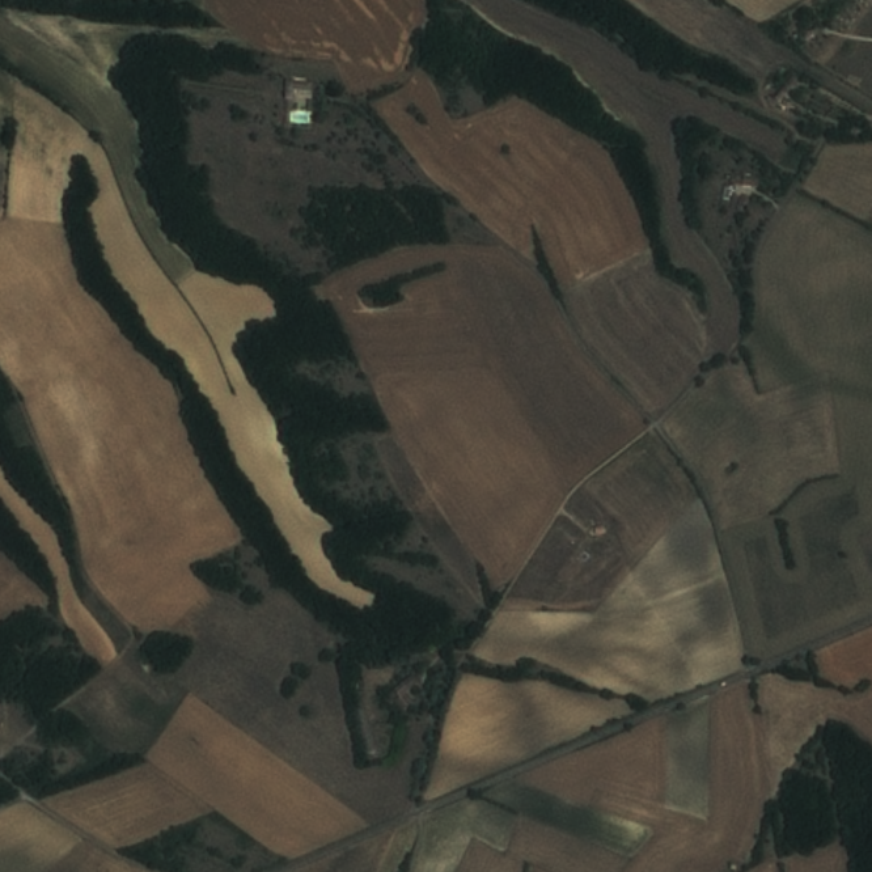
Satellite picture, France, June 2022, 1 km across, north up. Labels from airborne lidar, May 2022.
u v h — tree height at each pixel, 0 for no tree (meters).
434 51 12
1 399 6
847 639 0
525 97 8
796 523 0
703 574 0
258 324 16
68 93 0
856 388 0
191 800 0
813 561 0
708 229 0
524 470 0
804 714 0
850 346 0
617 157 13
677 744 0
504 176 0
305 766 0
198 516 0
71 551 12
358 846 0
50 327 0
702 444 0
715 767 0
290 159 0
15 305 0
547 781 0
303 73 0
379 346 0
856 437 0
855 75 0
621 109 0
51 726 10
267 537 18
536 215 0
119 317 13
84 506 0
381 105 0
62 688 10
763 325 0
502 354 0
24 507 0
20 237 0
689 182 14
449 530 0
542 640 0
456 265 0
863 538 0
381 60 0
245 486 16
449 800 0
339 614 16
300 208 6
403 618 21
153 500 0
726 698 0
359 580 17
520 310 0
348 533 16
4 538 16
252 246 11
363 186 9
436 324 0
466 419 0
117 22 9
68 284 0
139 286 0
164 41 23
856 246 0
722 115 0
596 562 0
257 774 0
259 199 0
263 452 0
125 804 0
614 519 0
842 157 0
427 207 11
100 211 0
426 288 0
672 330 0
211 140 0
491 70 10
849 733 13
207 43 0
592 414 0
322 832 0
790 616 0
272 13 0
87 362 0
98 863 0
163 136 20
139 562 0
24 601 0
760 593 0
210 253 14
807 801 13
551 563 0
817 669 9
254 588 10
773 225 0
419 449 0
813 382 0
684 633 0
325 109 12
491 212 0
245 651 0
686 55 13
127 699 0
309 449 9
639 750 0
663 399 0
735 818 0
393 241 8
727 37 0
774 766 0
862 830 12
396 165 0
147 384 0
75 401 0
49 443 0
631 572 0
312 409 15
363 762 10
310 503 12
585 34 0
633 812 0
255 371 18
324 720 0
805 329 0
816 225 0
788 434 0
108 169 0
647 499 0
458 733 0
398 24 0
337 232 9
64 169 0
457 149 0
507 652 0
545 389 0
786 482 0
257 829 0
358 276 0
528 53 17
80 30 0
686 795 0
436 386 0
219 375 0
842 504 0
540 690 0
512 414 0
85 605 0
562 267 0
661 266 10
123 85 19
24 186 0
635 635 0
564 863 0
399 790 0
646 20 7
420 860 0
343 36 0
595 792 0
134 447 0
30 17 0
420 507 0
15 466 17
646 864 0
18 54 0
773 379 0
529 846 0
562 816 0
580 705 0
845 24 0
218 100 0
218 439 20
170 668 12
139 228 0
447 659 14
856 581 0
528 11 0
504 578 0
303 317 13
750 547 0
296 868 0
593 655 0
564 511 0
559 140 0
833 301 0
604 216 0
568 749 0
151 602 0
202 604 0
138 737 0
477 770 0
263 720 0
